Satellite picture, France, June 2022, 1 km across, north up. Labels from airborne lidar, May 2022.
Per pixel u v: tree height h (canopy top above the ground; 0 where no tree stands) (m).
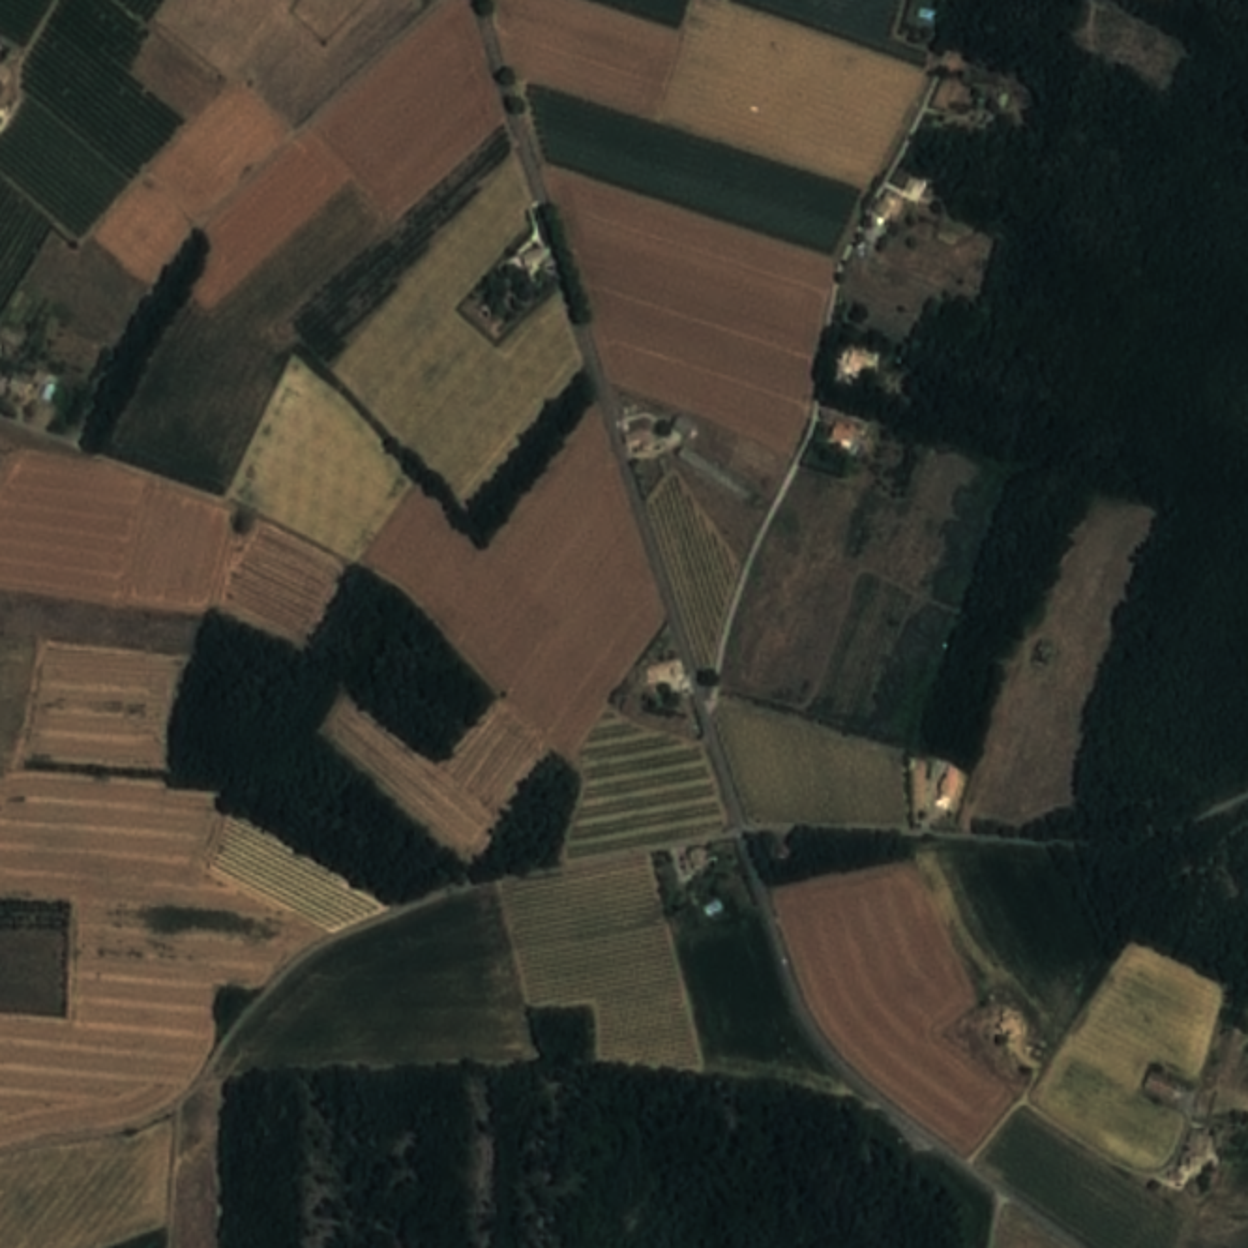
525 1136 18
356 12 0
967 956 0
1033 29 22
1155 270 10
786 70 0
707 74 0
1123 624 15
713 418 0
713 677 14
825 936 0
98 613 0
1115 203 21
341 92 0
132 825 0
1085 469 20
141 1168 0
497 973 0
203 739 16
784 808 0
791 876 17
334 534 0
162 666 0
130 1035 0
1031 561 17
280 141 0
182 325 0
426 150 0
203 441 0
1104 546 0
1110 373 12
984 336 12
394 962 0
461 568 0
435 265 0
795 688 0
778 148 0
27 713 0
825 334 11
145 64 0
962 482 0
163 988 0
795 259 0
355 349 0
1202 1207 0
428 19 0
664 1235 9
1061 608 0
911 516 0
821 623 0
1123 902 21
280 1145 21
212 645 16
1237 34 12
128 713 0
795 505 0
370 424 0
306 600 0
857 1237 18
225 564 0
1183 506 11
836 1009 0
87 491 0
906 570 0
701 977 0
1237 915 7
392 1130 14
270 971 0
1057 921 0
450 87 0
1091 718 14
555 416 11
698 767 0
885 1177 22
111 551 0
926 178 10
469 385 0
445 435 0
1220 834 6
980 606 18
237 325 0
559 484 0
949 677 12
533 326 0
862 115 0
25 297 0
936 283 0
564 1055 11
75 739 0
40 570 0
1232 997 12
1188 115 11
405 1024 0
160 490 0
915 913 0
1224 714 10
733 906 9
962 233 0
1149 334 6
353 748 0
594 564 0
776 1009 0
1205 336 6
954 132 7
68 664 0
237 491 0
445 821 0
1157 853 16
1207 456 6
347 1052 0
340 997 0
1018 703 0
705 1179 14
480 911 0
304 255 0
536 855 19
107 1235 0
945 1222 18
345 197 0
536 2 0
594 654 0
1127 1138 0
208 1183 0
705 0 0
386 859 18
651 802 0
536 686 0
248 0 0
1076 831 16
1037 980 0
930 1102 0
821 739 0
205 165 0
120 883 0
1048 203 13
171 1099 0
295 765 16
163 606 0
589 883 0
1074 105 21
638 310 0
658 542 0
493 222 0
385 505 0
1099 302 11
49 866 0
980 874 0
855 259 0
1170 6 17
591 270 0
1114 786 13
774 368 0
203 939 0
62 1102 0
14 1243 0
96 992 0
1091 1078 0
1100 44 0
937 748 12
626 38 0
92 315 0
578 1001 0
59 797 0
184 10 0
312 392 0
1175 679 10
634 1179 16
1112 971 0
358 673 7
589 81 0
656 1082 17
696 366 0
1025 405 19
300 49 0
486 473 0
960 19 12
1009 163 14
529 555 0
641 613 0
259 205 0
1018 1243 0
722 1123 19
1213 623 10
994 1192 0
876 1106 0
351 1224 8
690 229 0
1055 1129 0
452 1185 15
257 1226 15
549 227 14
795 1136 20
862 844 12
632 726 0
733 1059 0
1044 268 18
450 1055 0
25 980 0
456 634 0
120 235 0
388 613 15
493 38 0
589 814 0
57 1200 0
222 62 0
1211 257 13
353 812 20
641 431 0
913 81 0
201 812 0
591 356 0
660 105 0
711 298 0
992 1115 0
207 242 8
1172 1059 0
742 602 0
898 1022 0
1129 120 19
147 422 0
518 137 0
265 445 0
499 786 0
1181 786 9
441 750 18
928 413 18
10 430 0
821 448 6
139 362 15
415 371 0
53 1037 0
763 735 0
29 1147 0
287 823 18
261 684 21
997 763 0
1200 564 7
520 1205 17
